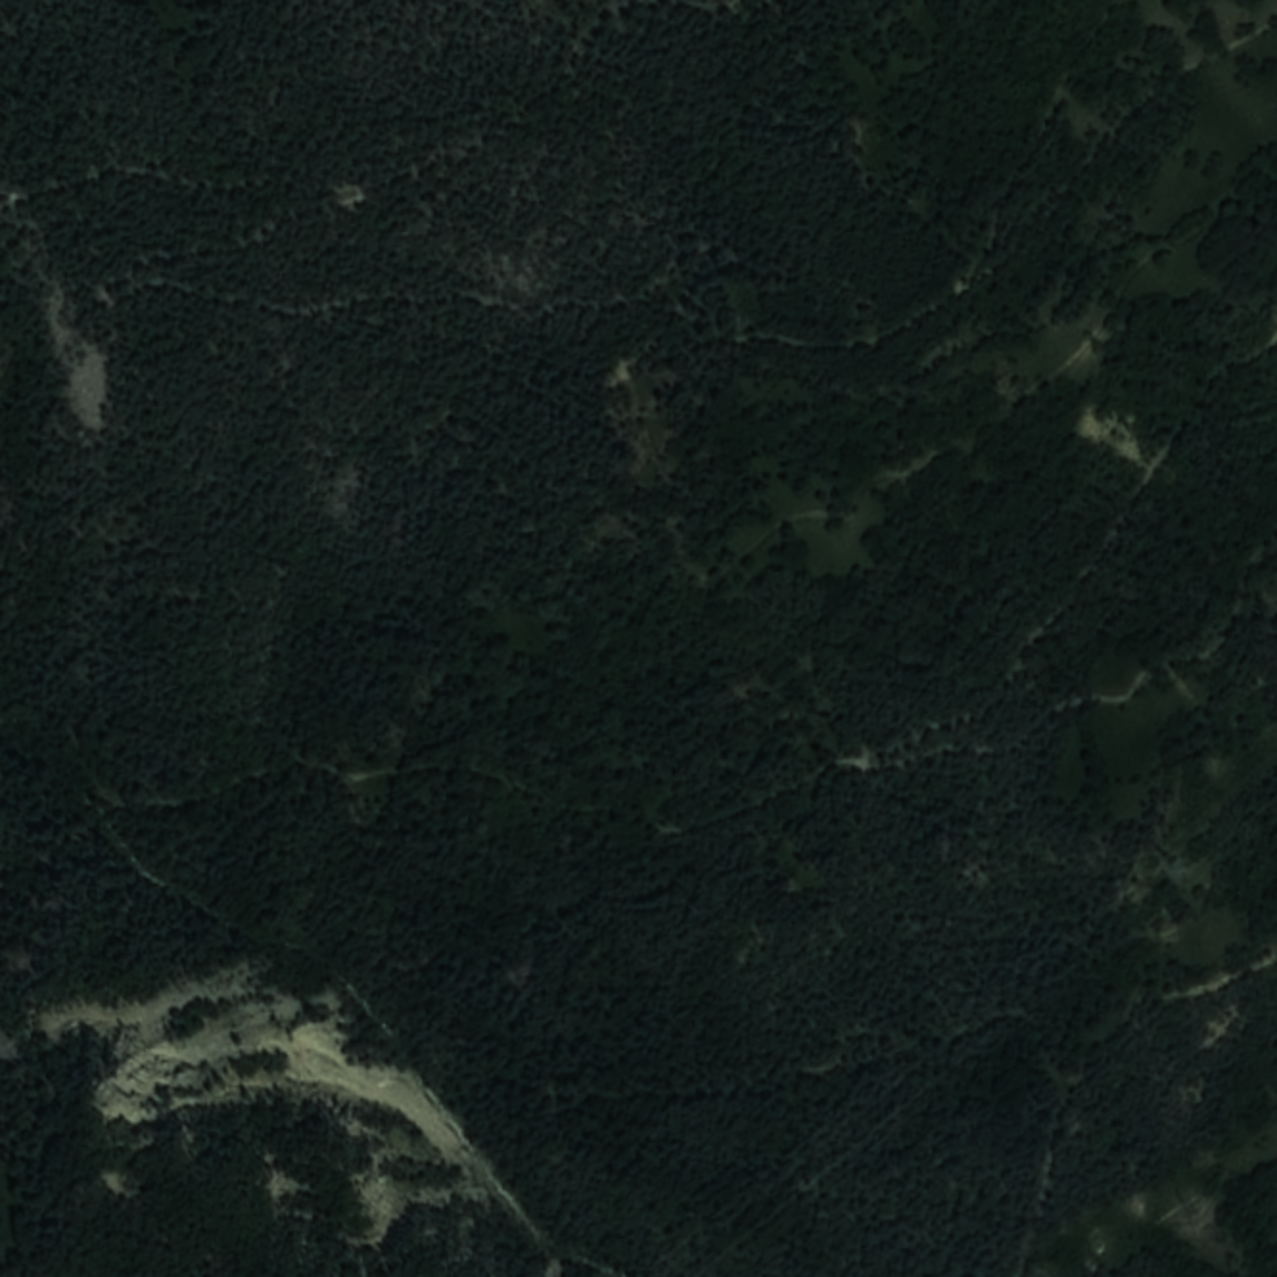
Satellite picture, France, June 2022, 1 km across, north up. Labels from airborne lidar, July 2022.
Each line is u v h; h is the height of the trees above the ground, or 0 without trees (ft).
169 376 54
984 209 71
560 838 80
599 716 21
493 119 42
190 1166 60
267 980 35
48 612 77
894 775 65
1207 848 32
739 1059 43
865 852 58
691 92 51
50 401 29
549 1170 50
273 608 19
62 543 60
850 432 58
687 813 52
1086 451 55
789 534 58
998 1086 61
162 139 72
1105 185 54
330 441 70
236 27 58
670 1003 71
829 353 49
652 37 44
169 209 39
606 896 79
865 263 46
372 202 42
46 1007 26
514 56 39
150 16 70
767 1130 82
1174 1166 21
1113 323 43
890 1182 44
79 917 74
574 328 68
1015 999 54
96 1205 54
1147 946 39
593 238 64
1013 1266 34
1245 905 47
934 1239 37
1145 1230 18
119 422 56
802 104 68
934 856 102
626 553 60
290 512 47
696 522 82
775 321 46
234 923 51
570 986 68
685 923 60
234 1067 57
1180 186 0
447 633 88
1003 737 45
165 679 66
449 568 40
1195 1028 38
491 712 24
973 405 57
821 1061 48
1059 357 0
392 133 55
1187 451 74
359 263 50
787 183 75
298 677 73
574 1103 87
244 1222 34
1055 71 54
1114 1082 50
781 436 43
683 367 84
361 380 47
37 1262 47
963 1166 72
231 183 50
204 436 35
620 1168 75
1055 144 48
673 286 26
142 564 83
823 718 47
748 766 74
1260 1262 43
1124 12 26
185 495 52
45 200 47
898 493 27
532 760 53
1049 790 48
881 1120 69
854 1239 55
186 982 20
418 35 38
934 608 52
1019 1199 31
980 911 35
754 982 43
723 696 82
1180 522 47
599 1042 47
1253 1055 42
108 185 74
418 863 86
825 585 72
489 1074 56
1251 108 0
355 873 54
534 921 62
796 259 68
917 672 75
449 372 66
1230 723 24
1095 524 74
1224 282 51
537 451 58
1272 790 84
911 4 32
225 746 53
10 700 46
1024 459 52
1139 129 54
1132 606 51
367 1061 46
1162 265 50
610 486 78
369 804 36
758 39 61
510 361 62
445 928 63
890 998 68
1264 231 70
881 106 22
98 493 75
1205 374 46
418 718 39
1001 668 34
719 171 44
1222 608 24
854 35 48
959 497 49
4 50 93
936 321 43
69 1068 95
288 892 79
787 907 59
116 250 46
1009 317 49
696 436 61
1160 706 0
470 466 47
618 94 23
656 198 49
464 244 27
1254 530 65
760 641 62
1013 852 36
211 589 58
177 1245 75
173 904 142
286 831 70
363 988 44
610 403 54
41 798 40
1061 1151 58
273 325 24
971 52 53
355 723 66
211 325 39
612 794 59
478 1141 95
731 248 93
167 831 36
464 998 92
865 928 53
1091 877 40
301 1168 41
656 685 74
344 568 78
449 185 52
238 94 58
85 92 75
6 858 76
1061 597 66
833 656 36
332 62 55
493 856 71
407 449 64
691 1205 43
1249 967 52
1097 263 77
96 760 53
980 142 30
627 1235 40
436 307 50
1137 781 32
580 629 42
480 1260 46
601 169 49
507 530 86
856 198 73
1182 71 43
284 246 47
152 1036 0
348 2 59
